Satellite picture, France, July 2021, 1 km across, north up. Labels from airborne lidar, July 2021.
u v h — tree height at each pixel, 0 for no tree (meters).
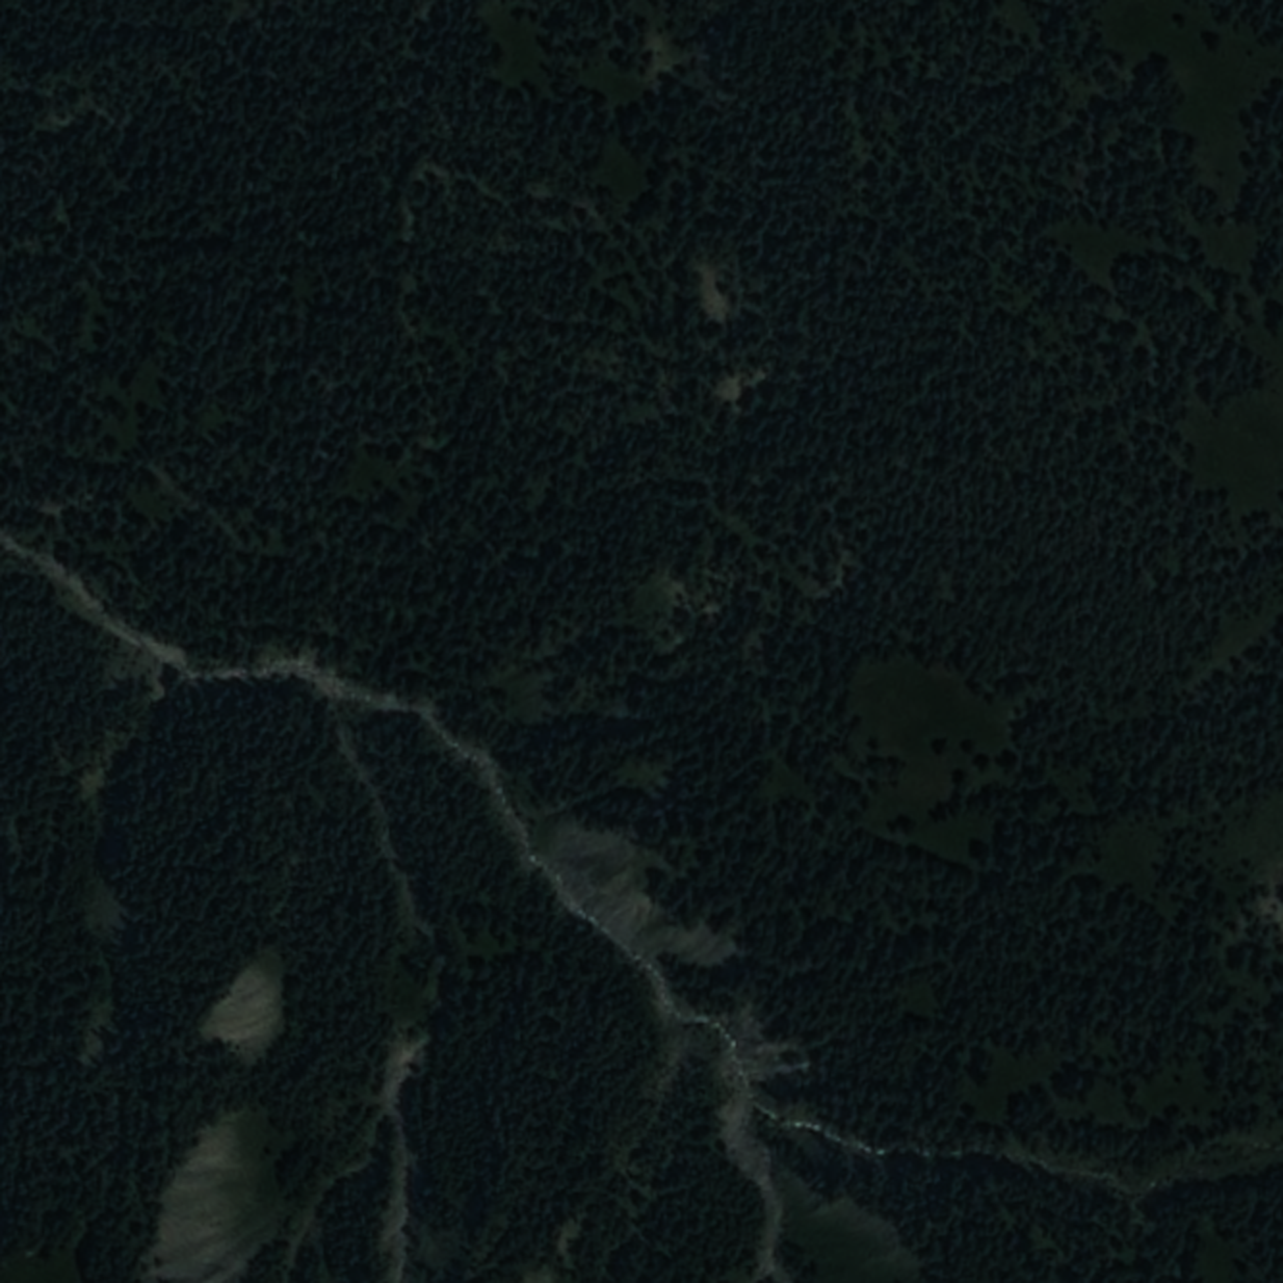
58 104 8
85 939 22
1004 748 0
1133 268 22
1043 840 11
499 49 27
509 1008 16
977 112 15
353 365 20
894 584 12
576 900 0
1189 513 17
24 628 13
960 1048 13
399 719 13
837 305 18
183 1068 26
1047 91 21
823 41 12
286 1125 22
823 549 12
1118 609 16
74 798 25
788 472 18
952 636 23
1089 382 18
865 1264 0
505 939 26
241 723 26
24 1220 22
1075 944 14
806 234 21
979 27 16
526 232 17
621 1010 20
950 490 26
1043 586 18
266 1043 0
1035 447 13
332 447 22
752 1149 0
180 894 30
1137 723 7
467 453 13
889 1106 25
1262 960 14
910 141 11
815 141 13
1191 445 15
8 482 28
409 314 16
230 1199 0
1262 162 11
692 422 23
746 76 16
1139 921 17
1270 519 14
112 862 16
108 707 19
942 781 0
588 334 10
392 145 18
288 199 25
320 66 16
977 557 28
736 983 21
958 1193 20
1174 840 7
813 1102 11
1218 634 16
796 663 15
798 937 25
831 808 21
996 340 21
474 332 16
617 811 12
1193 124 0
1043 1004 23
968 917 25
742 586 14
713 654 11
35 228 29
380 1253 7
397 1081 0
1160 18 0
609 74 0
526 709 0
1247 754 22
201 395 31
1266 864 0
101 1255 26
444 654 26
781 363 11
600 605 19
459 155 8
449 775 17
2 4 10
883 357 13
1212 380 20
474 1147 10
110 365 23
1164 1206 17
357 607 15
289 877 6
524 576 23
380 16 24
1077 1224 23
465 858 34
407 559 21
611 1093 16
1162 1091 0
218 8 21
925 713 0
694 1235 33
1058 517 19
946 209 13
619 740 15
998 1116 0
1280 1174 10
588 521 19
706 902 22
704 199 17
